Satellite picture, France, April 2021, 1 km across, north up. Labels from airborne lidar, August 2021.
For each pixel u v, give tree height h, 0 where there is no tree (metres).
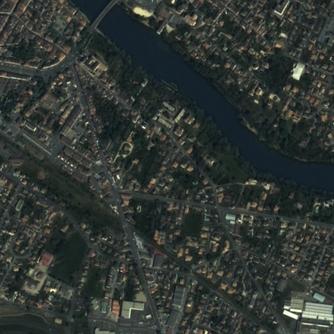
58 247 15
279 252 6
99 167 0
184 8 0
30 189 0
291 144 19
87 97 0
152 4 0
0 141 11
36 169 0
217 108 0
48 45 0
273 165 0
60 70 0
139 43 0
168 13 0
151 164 0
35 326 0
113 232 0
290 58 7
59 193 7
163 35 22
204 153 12
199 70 41
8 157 0
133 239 0
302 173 0
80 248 0
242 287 7
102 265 0
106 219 0
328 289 7
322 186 0
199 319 0
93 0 0
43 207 9
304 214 12
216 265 0
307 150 15
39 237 0
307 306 0
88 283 0
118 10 0
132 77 15
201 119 7
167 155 0
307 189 12
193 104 13
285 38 0
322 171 0
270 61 11
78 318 13
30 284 0
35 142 0
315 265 9
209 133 9
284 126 19
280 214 13
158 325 0
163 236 12
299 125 14
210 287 0
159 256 0
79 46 15
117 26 0
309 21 6
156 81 25
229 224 0
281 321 0
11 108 21
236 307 0
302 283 0
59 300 7
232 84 11
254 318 0
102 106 7
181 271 7
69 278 0
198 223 0
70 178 10
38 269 0
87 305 11
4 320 0
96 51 0
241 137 0
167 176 0
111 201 0
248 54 12
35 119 9
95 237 9
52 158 0
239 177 0
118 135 18
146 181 7
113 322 0
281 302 0
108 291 0
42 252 11
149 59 0
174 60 0
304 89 0
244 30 7
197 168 10
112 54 10
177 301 0
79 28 0
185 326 6
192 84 0
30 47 13
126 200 0
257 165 0
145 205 8
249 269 7
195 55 9
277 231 10
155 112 23
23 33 0
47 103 12
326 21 8
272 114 0
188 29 12
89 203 0
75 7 9
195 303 9
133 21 0
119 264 8
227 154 22
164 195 9
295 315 0
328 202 0
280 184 10
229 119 0
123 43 0
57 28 0
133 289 9
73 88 0
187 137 9
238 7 9
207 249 0
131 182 7
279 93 25
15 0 0
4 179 0
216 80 8
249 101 6
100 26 0
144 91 9
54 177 0
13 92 7
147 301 0
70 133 0
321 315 0
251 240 9
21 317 0
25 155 9
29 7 6
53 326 0
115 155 0
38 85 6
